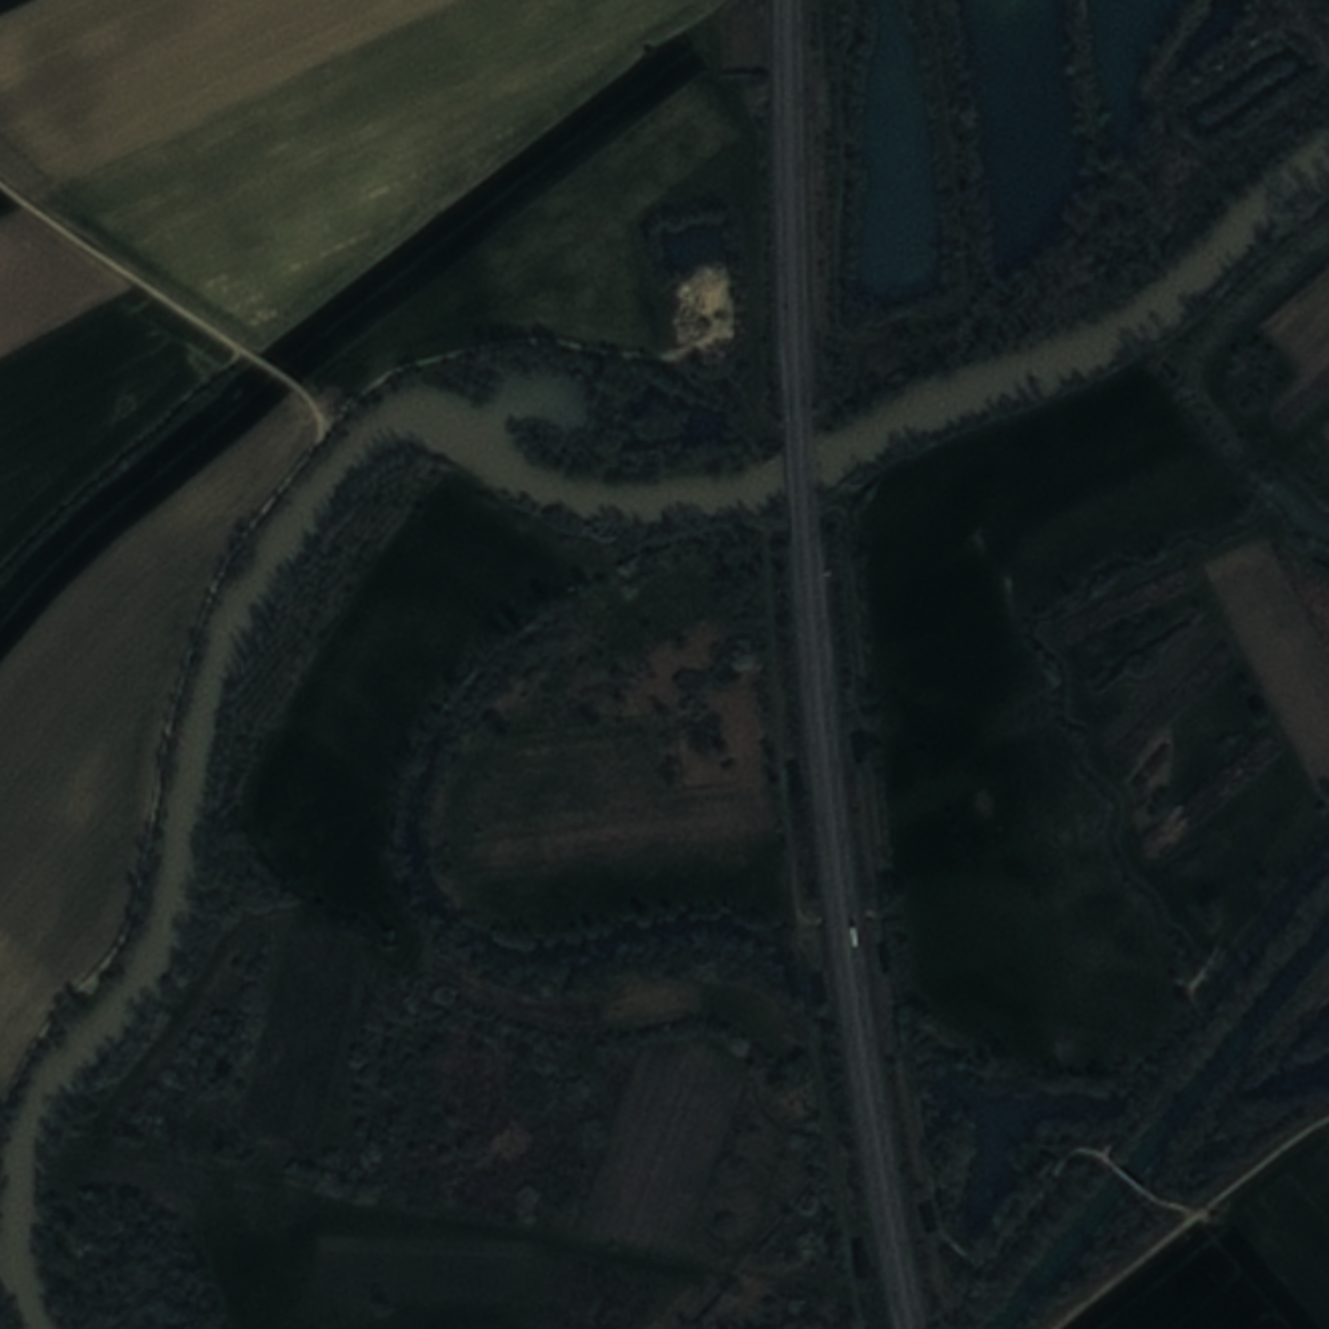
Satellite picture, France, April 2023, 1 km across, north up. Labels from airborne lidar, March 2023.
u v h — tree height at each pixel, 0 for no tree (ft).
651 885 0
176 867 0
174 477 0
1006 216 0
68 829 0
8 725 0
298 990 0
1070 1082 53
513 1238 0
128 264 0
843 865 0
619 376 55
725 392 55
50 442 0
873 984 0
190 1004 0
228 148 0
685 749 0
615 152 0
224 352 0
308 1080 0
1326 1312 0
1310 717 0
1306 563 0
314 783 0
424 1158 0
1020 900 0
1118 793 0
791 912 0
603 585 23
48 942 0
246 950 0
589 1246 0
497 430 0
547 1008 0
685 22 0
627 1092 0
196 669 35
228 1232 0
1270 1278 0
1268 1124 54
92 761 0
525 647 25
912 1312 0
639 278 0
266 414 0
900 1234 0
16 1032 0
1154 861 0
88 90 0
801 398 0
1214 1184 36
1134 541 0
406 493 50
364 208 0
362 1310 0
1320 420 0
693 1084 0
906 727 0
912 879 0
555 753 0
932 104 42
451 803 0
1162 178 108
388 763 0
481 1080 0
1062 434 0
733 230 42
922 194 0
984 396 0
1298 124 38
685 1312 0
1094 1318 0
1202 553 0
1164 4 0
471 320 0
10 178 0
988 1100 0
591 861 0
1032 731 0
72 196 0
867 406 59
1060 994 0
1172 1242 0
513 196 0
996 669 0
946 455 0
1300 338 0
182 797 0
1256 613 0
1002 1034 0
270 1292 0
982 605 0
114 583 0
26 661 0
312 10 0
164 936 0
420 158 0
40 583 0
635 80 0
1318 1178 0
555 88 0
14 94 0
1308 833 0
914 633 0
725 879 0
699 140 0
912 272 0
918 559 0
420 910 38
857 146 24
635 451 35
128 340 0
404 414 0
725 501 0
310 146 0
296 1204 0
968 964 0
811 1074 20
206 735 0
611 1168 0
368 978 0
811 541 0
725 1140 0
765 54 0
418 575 0
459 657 0
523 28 0
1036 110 0
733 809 0
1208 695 0
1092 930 0
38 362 0
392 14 0
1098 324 23
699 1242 0
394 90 0
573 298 0
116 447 0
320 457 18
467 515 0
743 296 29
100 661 0
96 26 0
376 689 0
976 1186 0
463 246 0
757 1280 0
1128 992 0
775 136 0
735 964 31
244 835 57
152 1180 0
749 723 0
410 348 0
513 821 0
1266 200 0
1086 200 59
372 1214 0
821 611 0
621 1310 0
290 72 0
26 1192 0
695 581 0
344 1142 0
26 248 0
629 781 0
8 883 0
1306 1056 55
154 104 0
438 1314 0
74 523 0
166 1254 53
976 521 0
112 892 0
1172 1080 39
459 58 0
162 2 0
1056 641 0
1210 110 29
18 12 0
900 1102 20
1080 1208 30
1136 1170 0
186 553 0
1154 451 0
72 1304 70
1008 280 28
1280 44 32
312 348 0
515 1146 0
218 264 0
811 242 0
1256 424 0
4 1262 0
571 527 23
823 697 0
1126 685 0
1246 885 0
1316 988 96
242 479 0
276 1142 0
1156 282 20
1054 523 0
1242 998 52
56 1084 0
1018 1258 24
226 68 0
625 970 24
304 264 0
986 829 0
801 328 0
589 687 0
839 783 0
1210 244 31
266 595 0
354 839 0
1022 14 0
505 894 0
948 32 26
